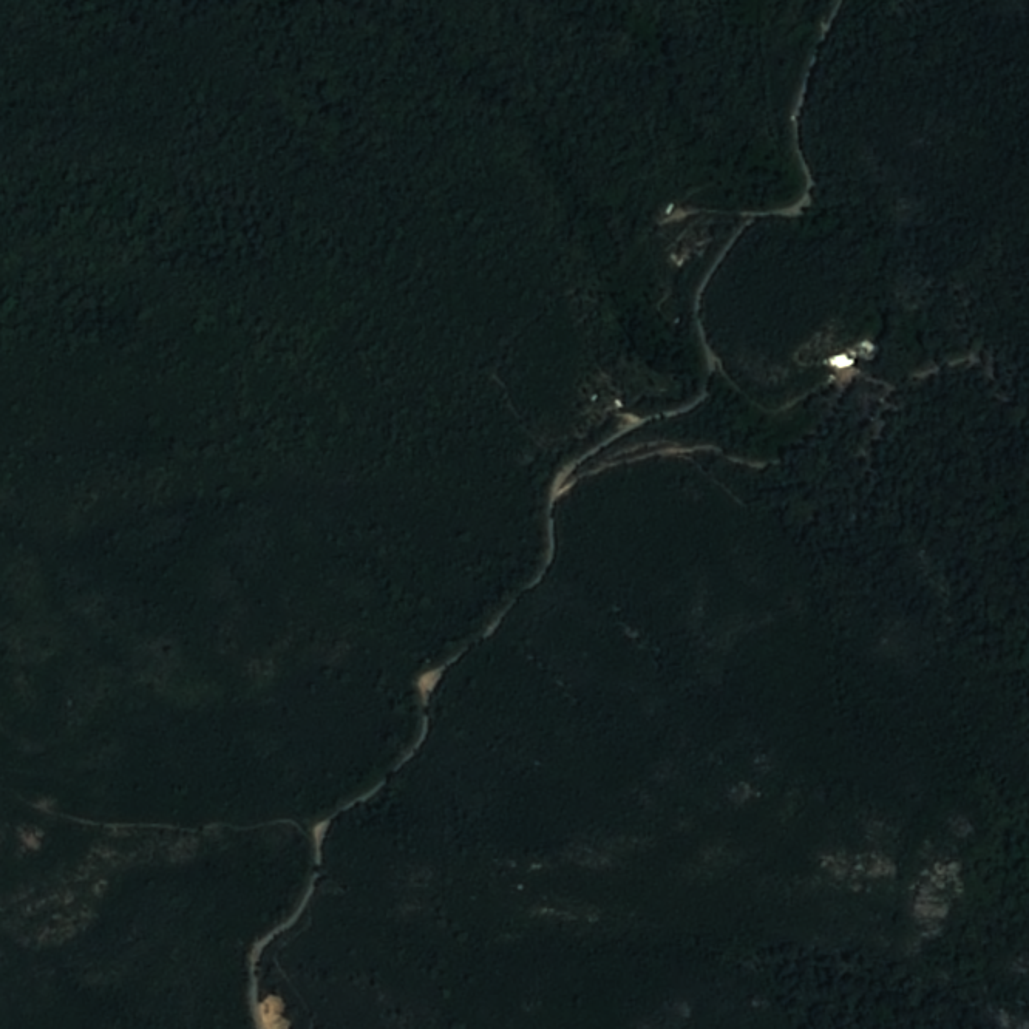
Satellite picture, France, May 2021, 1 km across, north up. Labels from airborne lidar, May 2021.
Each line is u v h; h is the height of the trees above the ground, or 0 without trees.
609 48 13
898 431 15
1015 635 13
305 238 15
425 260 7
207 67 9
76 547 6
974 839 6
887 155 8
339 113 15
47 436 7
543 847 6
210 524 6
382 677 9
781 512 11
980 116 7
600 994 6
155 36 10
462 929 6
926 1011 15
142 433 10
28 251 7
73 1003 6
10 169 9
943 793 9
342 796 8
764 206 10
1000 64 13
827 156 8
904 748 8
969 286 12
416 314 9
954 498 22
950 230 9
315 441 9
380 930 5
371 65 8
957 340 14
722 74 14
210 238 15
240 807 6
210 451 12
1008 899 18
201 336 6
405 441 8
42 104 10
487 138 9
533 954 6
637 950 7
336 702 5
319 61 15
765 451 16
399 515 6
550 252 12
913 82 10
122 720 6
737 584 6
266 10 17
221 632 6
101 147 10
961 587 17
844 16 7
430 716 12
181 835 10
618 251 10
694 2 14
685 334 14
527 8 17
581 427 8
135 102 10
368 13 18
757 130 9
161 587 6
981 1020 7
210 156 9
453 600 6
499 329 7
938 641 5
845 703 10
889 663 6
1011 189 9
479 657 6
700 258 9
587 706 7
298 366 7
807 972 13
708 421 9
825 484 19
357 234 12
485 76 12
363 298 6
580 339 6
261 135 11
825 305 6
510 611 6
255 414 6
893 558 9
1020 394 16
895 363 18
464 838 8
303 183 10
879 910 6
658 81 23
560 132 9
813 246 9
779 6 8
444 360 5
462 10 14
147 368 10
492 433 6
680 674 5
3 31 10
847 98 12
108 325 11
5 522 6
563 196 13
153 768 6
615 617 6
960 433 11
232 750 7
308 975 9
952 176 10
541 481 9
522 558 6
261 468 8
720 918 5
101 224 16
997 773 8
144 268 9
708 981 6
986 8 8
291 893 9
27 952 5
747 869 6
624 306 6
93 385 7
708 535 6
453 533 6
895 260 13
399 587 14
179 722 7
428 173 12
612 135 14
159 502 7
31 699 6
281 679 7
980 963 17
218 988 5
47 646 9
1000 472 15
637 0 13
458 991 6
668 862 6
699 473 6
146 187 12
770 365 6
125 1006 8
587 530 7
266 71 13
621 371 13
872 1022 19
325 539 7
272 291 7
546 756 6
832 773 5
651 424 9
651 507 6
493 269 10
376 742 6
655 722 6
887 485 19
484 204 9
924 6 14
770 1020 6
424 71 11
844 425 11
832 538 15
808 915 6
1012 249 14
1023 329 9
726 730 6
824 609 14
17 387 6
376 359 6
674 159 10
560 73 9
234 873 6
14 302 13
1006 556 16
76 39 11
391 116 11
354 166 12
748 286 6
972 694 6
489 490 6
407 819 9
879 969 14
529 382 6
